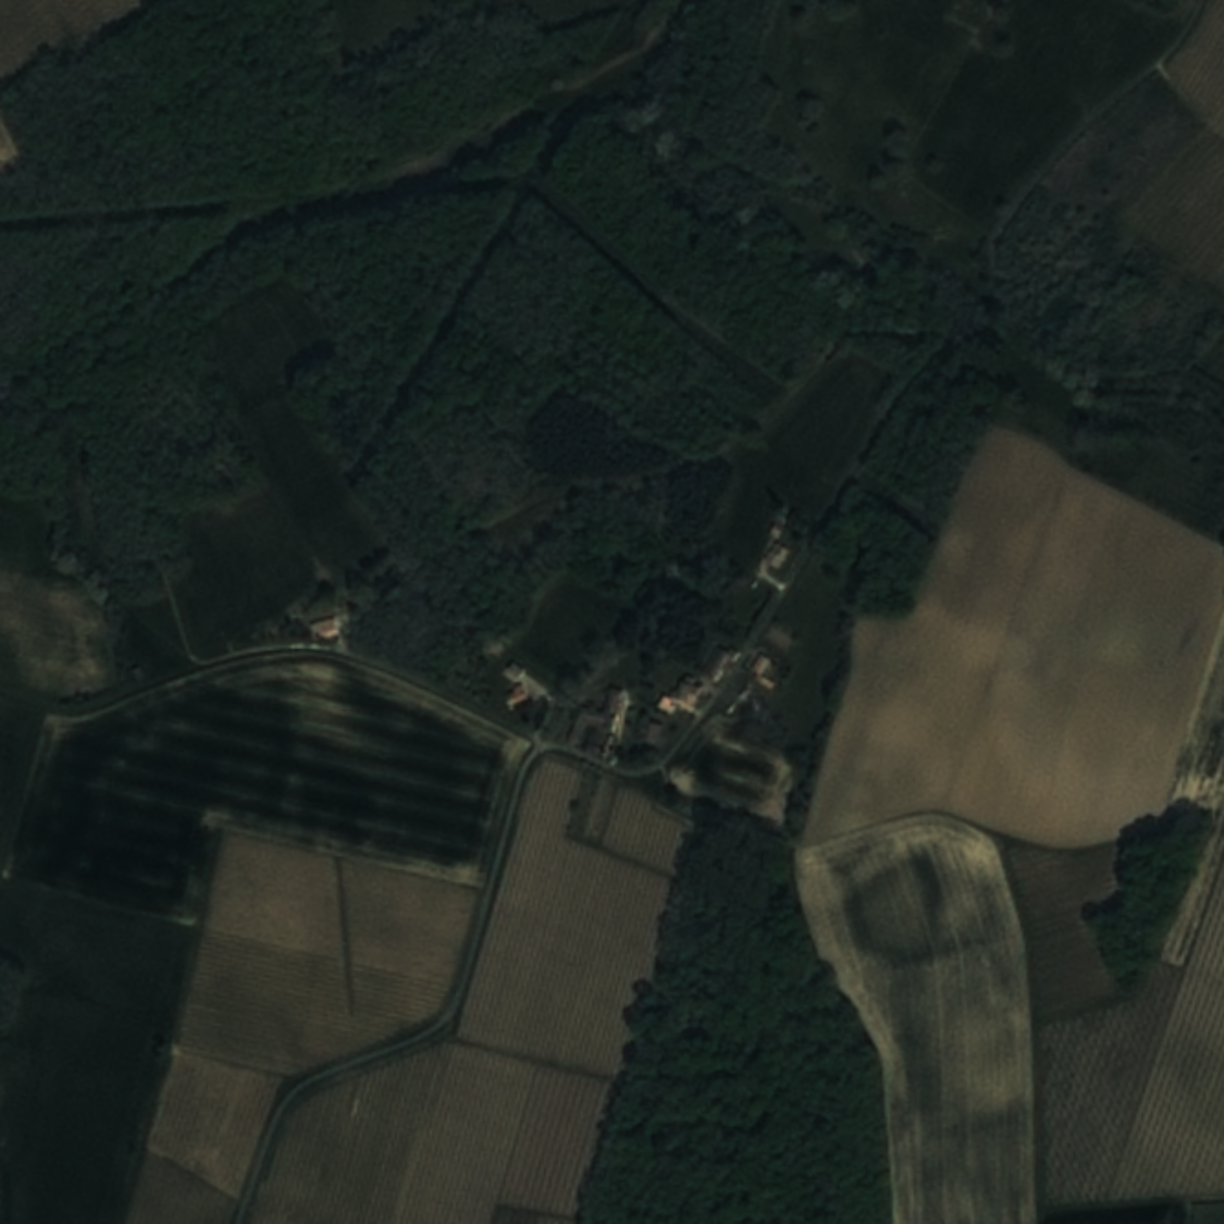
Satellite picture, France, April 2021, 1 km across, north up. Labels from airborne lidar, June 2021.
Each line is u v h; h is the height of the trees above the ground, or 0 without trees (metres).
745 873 29
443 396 24
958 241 0
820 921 0
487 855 0
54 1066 0
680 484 15
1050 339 14
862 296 23
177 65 20
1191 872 23
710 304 20
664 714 9
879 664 0
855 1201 23
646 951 0
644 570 22
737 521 0
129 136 22
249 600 0
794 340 14
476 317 24
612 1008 0
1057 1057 0
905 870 0
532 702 7
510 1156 0
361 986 0
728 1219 22
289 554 0
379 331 23
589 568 22
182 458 19
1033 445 0
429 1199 0
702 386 9
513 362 24
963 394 30
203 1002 0
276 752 0
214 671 0
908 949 0
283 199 13
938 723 0
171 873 0
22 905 0
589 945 0
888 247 7
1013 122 0
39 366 21
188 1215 0
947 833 0
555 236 20
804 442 0
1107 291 15
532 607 16
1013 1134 0
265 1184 0
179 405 15
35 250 19
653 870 0
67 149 18
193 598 0
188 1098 0
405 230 26
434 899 0
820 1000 19
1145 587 0
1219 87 0
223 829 0
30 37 0
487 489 19
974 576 0
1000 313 19
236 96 22
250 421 0
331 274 24
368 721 0
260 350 0
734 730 0
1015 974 0
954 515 15
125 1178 0
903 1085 0
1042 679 0
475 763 0
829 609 0
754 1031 21
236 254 24
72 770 0
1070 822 0
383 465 20
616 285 22
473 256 24
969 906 0
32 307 17
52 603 0
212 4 17
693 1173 23
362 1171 0
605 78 0
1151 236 0
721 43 24
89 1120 0
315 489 0
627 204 16
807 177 16
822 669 0
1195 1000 0
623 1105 18
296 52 20
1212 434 6
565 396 11
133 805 0
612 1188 21
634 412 17
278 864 0
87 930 0
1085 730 0
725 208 10
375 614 16
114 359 24
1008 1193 0
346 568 0
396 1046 0
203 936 0
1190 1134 0
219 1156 0
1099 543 0
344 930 0
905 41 0
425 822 0
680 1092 24
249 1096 0
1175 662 0
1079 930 0
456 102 17
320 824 0
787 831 11
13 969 19
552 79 14
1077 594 0
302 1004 0
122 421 16
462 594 18
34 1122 0
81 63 18
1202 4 0
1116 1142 0
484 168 20
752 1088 25
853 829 0
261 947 0
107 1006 0
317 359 14
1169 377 13
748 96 18
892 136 15
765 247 25
